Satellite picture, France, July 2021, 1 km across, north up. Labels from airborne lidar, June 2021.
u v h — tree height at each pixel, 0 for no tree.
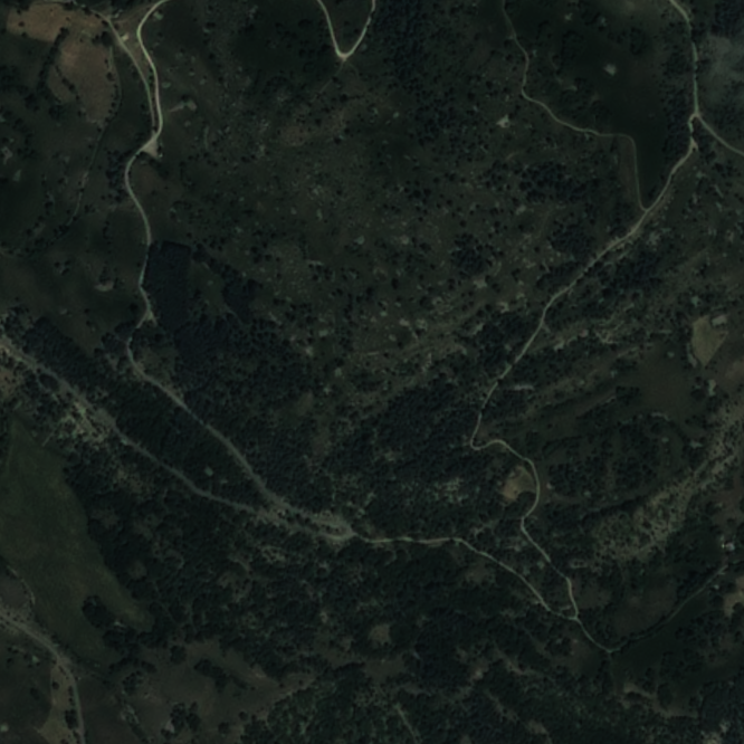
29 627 0
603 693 6
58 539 0
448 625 17
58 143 0
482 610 6
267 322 9
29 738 0
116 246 0
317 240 0
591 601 0
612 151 8
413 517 10
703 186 7
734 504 0
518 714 7
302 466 8
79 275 0
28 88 7
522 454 6
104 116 0
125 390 7
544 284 11
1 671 0
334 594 6
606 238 0
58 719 0
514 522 6
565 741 9
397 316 0
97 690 0
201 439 6
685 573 0
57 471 0
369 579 9
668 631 0
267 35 0
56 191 0
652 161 0
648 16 0
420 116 9
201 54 0
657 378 0
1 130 0
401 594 16
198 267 0
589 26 12
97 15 7
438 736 11
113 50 0
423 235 0
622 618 0
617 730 7
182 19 0
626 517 6
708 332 0
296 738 8
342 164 0
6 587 0
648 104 0
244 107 0
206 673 12
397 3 16
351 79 0
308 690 7
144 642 9
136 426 8
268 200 0
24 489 0
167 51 0
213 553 5
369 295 9
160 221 0
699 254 0
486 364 6
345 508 7
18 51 0
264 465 8
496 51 7
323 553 9
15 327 7
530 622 11
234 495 11
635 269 10
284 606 9
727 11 12
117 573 9
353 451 6
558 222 9
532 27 0
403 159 0
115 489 7
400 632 10
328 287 0
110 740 0
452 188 0
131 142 0
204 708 0
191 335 16
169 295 16
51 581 0
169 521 8
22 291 0
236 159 0
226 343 20
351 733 8
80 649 0
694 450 7
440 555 11
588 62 0
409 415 7
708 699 17
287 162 0
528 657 12
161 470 8
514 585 7
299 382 7
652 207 0
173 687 0
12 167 0
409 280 0
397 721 9
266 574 9
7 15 0
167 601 10
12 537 0
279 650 6
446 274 0
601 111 10
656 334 7
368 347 0
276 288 0
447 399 8
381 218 0
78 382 10
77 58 0
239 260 0
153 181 0
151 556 6
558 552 7
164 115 0
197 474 5
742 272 0
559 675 8
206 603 6
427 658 18
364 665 9
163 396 19
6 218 0
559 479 8
